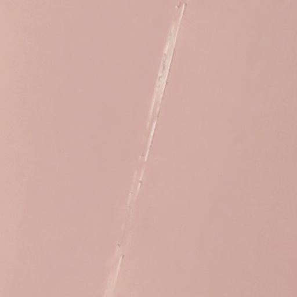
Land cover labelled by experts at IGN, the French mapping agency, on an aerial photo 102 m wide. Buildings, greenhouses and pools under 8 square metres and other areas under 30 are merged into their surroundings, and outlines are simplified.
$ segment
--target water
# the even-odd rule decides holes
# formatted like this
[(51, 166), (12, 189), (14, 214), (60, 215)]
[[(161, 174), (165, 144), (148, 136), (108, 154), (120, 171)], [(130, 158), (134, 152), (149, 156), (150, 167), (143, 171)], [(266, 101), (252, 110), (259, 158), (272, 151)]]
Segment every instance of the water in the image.
[(0, 297), (297, 297), (297, 0), (0, 0)]

